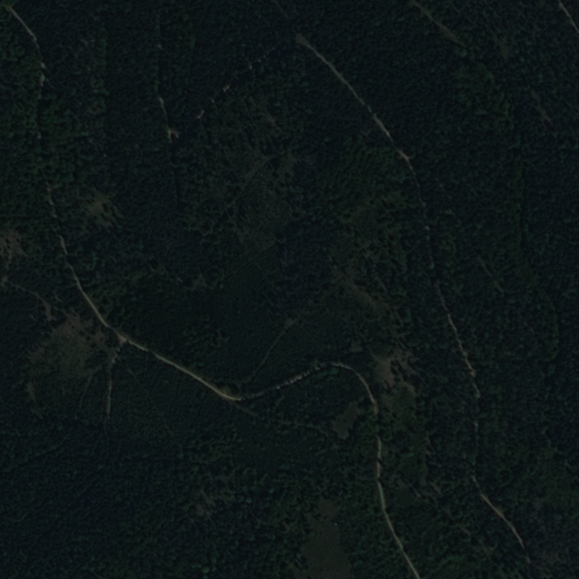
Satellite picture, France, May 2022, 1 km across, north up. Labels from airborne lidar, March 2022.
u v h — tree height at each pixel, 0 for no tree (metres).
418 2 25
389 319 7
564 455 21
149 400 9
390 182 24
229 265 7
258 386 10
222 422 11
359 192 26
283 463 13
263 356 7
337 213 23
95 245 26
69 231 32
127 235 29
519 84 30
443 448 23
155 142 24
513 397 18
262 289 5
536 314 23
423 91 21
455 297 28
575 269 32
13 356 23
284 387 9
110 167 29
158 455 13
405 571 29
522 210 23
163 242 21
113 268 28
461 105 30
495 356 28
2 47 26
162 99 15
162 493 22
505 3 30
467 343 21
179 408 8
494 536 9
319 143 22
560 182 28
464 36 20
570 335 27
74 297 12
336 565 0
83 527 26
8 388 26
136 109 28
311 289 30
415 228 25
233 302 7
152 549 27
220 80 19
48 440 22
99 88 34
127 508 24
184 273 21
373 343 6
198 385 8
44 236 22
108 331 11
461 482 27
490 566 6
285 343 6
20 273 11
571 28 7
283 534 7
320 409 11
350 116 25
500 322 28
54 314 17
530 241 28
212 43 22
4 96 18
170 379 7
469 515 24
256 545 29
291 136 26
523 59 32
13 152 22
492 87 27
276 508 23
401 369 28
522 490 30
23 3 32
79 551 20
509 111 15
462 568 6
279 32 15
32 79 20
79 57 34
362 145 25
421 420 17
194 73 21
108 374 11
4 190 21
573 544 35
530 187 33
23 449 26
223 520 27
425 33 15
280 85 21
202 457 11
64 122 29
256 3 23
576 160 27
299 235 25
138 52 29
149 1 27
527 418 35
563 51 9
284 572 12
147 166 27
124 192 12
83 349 0
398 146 18
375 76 24
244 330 7
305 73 16
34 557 21
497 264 18
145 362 8
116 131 20
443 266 29
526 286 19
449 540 7
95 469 25
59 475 25
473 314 25
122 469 22
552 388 30
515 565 32
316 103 20
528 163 26
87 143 34
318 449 7
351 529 6
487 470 23
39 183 32
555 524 32
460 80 27
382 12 18
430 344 28
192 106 22
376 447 11
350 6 22
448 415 23
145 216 24
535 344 28
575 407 30
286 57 25
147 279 9
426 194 30
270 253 6
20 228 6
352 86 14
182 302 7
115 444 22
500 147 28
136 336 11
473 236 26
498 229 24
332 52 22
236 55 17
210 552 25
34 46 25
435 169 23
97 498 24
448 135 29
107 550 19
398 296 26
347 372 12
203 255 19
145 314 10
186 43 25
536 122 30
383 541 14
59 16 25
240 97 26
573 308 31
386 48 14
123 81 26
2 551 22
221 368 8
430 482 18
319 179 24
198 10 22
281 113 26
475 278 28
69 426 23
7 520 23
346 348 8
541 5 27
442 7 19
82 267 29
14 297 10
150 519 25
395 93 19
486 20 31
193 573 26
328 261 27
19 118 24
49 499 24
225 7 23
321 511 0
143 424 6
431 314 27
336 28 22
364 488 27
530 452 26
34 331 17
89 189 30
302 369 8
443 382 26
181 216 15
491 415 24
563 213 25
